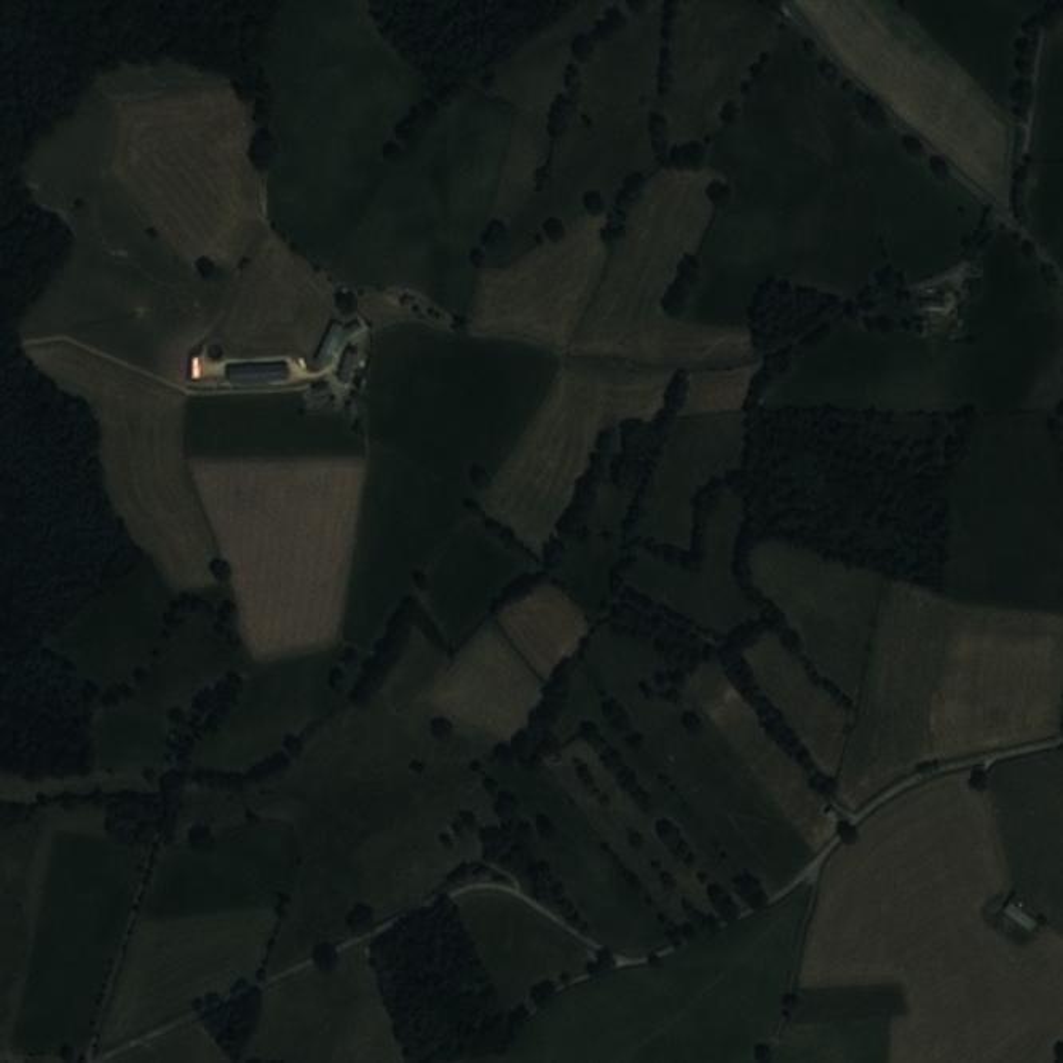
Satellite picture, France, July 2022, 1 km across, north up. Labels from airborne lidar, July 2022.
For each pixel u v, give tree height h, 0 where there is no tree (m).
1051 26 16
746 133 0
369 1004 0
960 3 0
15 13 19
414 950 16
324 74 0
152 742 0
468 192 0
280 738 0
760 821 0
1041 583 0
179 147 0
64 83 16
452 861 0
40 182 0
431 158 0
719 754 0
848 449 10
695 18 0
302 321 0
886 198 0
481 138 0
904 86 0
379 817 0
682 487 0
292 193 0
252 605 0
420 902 0
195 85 0
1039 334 0
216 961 0
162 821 12
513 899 0
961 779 0
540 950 0
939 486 8
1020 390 0
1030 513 0
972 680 0
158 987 0
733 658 15
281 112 0
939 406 0
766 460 8
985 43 0
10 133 20
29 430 28
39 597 29
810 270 0
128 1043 0
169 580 0
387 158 13
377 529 0
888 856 0
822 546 8
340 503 0
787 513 10
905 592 0
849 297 0
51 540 30
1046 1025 0
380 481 0
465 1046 13
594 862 0
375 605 0
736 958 0
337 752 0
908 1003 0
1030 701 0
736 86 0
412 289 0
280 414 0
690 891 0
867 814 0
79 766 20
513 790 0
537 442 0
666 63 15
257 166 15
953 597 0
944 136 0
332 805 0
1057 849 0
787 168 0
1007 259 0
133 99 0
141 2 25
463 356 0
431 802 0
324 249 0
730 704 0
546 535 0
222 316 0
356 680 0
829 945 0
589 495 25
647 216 0
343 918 0
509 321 0
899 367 0
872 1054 0
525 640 0
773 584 0
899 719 0
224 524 0
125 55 25
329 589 0
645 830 0
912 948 0
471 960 18
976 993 0
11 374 27
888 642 0
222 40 28
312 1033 0
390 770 0
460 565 0
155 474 0
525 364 0
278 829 0
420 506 0
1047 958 0
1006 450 0
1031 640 0
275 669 0
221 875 0
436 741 10
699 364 0
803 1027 0
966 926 0
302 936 0
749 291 0
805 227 0
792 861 0
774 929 0
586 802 0
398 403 0
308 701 0
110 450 0
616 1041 0
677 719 0
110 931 0
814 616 0
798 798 0
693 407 0
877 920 0
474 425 0
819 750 0
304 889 0
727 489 10
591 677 0
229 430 0
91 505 27
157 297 0
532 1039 0
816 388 0
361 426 11
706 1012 0
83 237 0
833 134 0
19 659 29
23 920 0
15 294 21
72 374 0
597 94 0
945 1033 0
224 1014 16
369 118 0
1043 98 0
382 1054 0
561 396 0
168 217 0
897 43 0
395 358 0
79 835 0
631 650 0
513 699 0
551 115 9
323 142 0
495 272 0
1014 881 0
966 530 0
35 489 26
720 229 0
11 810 11
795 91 0
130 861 0
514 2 19
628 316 0
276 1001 0
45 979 0
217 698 17
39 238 23
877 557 12
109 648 0
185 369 0
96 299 0
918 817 0
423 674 0
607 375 0
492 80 17
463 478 0
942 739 0
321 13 0
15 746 22
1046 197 0
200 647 0
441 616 0
